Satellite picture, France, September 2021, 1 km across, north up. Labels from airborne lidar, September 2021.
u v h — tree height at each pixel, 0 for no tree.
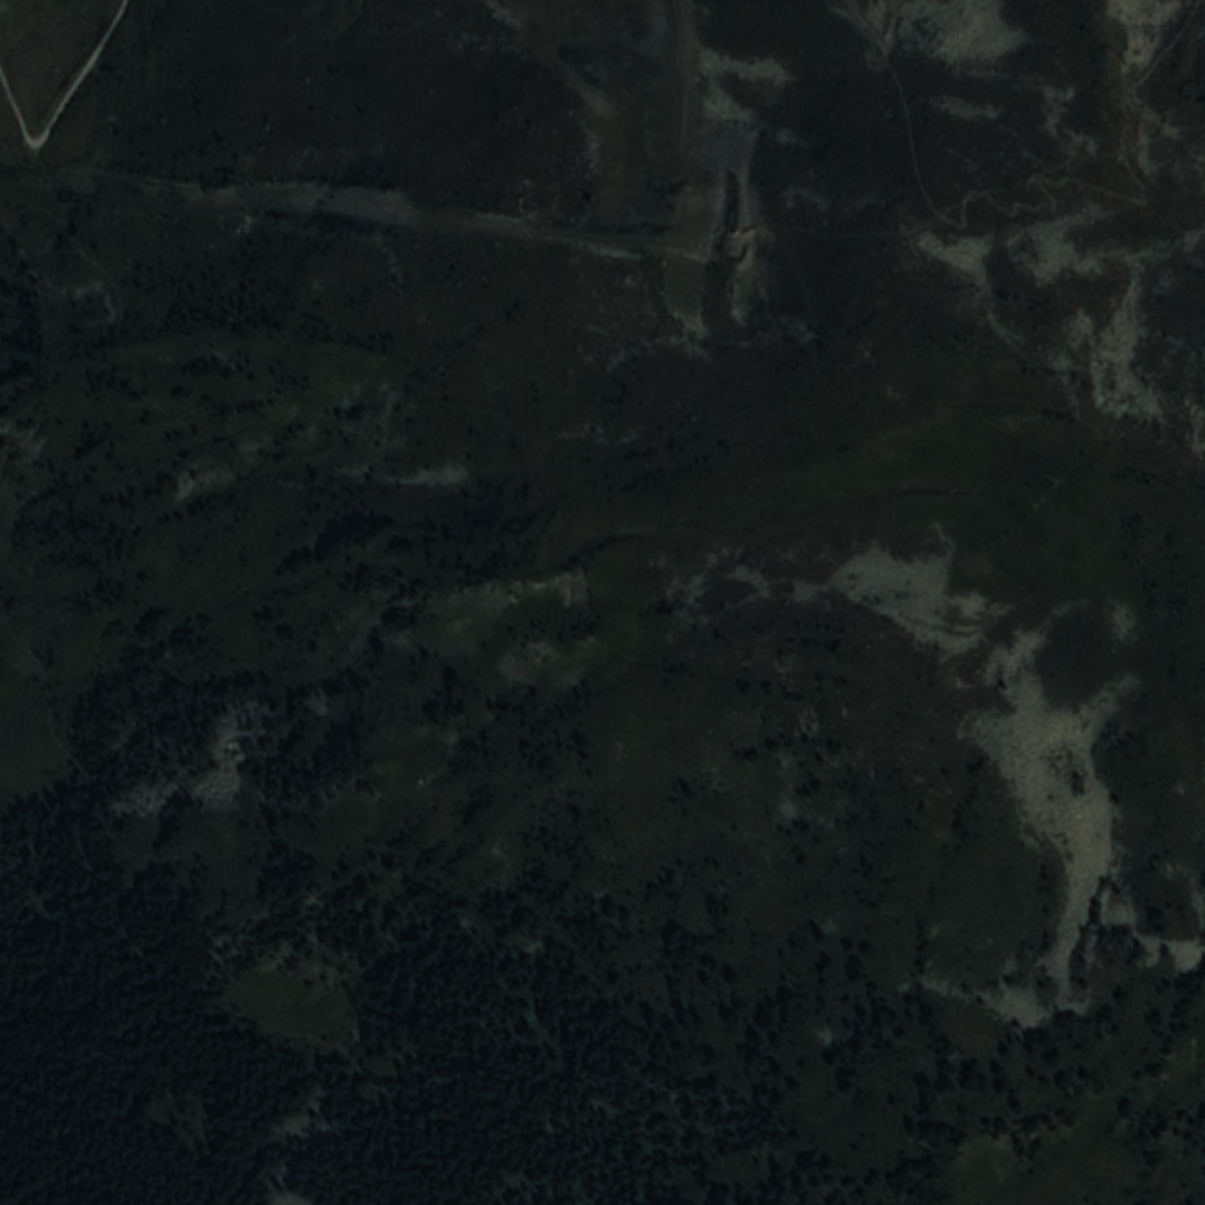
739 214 0
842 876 0
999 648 0
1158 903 0
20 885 13
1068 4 0
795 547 0
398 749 0
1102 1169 0
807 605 0
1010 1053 10
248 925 7
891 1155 0
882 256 0
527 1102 16
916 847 0
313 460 0
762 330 0
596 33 0
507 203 0
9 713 0
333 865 0
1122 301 0
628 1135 9
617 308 0
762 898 0
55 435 0
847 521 0
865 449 0
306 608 0
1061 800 0
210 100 0
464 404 0
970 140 0
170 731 6
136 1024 19
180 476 0
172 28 0
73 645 0
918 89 0
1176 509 0
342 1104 13
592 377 0
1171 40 0
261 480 0
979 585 0
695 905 0
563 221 0
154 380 0
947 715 0
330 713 0
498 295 0
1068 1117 9
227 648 0
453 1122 15
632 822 0
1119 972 0
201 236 0
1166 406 0
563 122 0
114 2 0
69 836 10
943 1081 9
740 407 0
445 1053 7
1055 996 0
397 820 0
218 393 0
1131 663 0
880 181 0
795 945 7
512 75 0
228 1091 18
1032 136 0
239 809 0
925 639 0
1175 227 0
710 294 0
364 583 8
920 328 0
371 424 0
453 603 0
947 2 0
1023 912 0
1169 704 0
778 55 0
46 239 0
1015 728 0
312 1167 15
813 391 0
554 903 9
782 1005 9
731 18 0
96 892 14
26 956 18
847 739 0
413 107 0
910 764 0
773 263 0
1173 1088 0
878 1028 11
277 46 0
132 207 0
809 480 0
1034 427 0
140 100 0
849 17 0
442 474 0
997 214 0
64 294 0
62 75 0
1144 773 0
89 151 0
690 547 0
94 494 0
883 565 0
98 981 19
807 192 0
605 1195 8
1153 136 0
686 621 0
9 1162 19
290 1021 0
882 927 0
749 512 0
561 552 0
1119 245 0
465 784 0
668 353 0
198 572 0
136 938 10
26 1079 18
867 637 0
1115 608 0
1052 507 0
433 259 0
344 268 0
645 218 0
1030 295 0
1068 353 0
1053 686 0
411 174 0
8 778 0
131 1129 18
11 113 0
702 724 0
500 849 0
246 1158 18
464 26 0
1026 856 0
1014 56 0
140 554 0
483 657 0
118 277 0
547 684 0
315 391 0
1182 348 0
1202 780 0
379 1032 8
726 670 0
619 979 7
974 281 0
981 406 0
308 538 0
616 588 0
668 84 0
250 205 0
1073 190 0
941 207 0
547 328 0
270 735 11
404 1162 23
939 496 0
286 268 0
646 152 0
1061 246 0
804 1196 11
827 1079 0
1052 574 0
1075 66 0
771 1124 17
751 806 0
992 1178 0
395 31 0
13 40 0
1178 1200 0
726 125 0
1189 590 0
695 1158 6
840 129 0
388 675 0
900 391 0
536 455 0
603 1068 12
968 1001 0
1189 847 0
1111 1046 0
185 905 7
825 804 0
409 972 14
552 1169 8
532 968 12
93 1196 19
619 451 0
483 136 0
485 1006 16
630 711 0
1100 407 0
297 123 0
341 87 0
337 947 16
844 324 0
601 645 0
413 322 0
